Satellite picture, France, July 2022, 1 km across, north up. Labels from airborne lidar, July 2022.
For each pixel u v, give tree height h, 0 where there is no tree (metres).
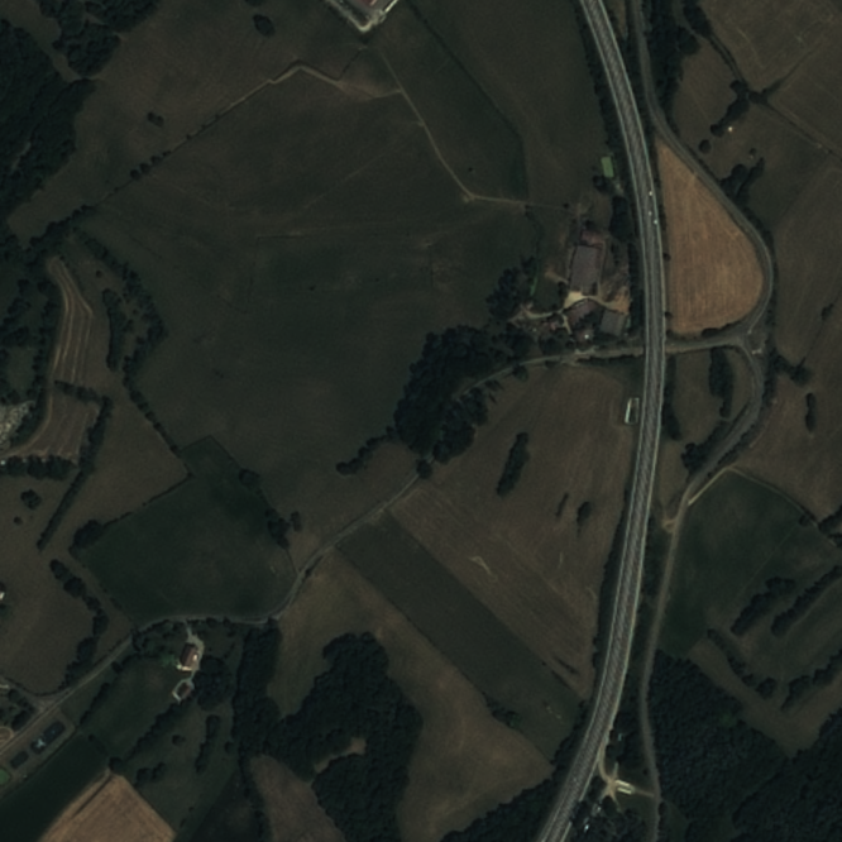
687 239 0
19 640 0
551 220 0
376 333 0
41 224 0
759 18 0
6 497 0
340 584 0
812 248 0
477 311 0
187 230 0
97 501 0
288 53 0
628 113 0
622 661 0
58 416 0
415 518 0
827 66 0
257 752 14
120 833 0
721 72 0
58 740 0
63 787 0
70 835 0
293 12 0
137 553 0
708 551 0
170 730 11
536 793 11
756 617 14
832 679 11
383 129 0
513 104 0
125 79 0
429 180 0
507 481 13
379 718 17
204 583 0
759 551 0
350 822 13
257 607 0
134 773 0
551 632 0
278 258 0
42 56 21
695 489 0
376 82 0
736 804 10
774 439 0
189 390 0
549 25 0
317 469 0
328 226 0
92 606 18
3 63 25
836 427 0
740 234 0
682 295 0
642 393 0
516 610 0
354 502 0
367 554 0
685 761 23
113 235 0
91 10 12
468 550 0
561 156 0
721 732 22
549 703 0
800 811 18
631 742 13
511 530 0
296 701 0
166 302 0
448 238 0
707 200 0
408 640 0
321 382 0
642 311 7
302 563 0
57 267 0
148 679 0
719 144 0
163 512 0
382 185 0
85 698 0
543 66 0
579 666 0
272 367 0
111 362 13
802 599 11
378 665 21
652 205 0
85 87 16
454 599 0
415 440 14
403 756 19
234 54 0
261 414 0
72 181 0
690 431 0
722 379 8
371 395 0
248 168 0
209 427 0
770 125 0
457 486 0
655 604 0
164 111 0
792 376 9
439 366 22
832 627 0
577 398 0
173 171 0
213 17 0
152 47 0
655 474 0
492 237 0
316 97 0
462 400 0
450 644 0
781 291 0
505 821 19
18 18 0
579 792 0
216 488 0
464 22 0
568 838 0
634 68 9
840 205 0
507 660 0
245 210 0
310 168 0
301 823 0
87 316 0
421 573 0
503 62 0
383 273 0
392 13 0
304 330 0
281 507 0
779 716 0
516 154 0
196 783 0
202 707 9
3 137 18
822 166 0
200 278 0
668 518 0
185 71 0
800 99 0
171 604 0
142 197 0
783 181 0
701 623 0
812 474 0
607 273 0
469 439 25
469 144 0
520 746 0
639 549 0
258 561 0
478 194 0
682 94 0
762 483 0
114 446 0
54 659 0
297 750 18
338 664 14
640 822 16
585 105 0
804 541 0
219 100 0
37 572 0
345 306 0
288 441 0
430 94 0
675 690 19
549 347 13
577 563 0
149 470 0
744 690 0
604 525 0
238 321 0
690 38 18
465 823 0
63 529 0
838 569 9
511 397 0
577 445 0
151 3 15
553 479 0
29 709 8
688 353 0
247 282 0
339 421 0
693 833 13
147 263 0
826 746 10
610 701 0
